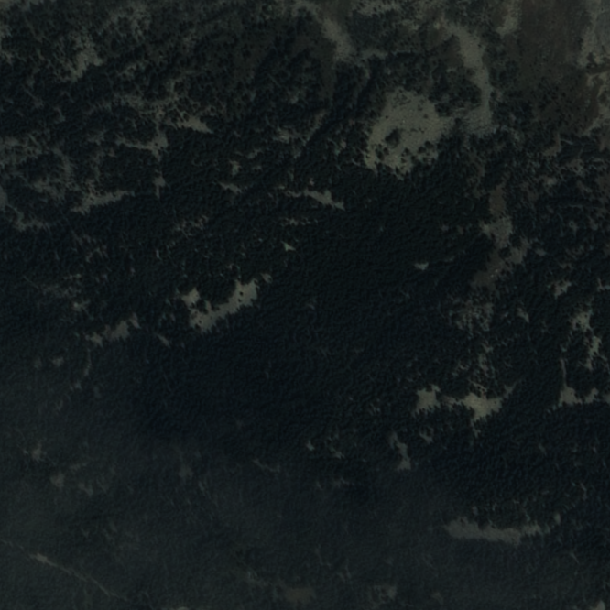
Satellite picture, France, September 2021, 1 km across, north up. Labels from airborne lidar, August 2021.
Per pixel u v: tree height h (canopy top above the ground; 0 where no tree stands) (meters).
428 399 0
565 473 22
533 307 15
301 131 8
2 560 18
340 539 22
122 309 22
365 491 11
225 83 7
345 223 12
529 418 13
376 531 11
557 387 18
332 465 14
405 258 18
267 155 12
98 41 7
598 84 0
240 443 15
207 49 10
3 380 16
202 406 19
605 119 0
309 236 17
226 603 20
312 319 15
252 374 22
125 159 14
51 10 7
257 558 20
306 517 17
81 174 10
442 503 22
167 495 14
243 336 14
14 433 14
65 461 13
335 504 16
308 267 15
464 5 6
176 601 20
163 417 29
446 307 8
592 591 14
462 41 0
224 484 24
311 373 11
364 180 15
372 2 0
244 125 10
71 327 14
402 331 12
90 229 21
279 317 16
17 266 21
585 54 0
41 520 16
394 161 0
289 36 10
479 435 6
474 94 9
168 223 14
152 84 10
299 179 13
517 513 14
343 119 10
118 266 18
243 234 15
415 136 0
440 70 10
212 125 13
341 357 14
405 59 9
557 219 9
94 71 11
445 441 25
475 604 22
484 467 15
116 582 18
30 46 11
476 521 14
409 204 15
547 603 25
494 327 18
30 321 22
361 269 19
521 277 7
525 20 0
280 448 20
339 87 9
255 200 11
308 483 21
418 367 17
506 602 20
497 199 0
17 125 16
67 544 15
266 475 6
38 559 0
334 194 12
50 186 11
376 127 0
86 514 17
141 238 14
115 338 0
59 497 9
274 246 12
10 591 17
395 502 11
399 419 20
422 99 0
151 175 13
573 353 18
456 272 9
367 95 9
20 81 13
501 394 11
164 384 29
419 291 13
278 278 12
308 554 17
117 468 12
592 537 19
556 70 0
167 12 9
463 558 19
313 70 6
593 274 17
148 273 16
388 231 12
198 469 16
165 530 14
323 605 13
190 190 16
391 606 11
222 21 6
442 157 9
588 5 0
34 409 25
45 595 24
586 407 10
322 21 0
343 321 20
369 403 11
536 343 22
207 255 18
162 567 7
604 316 14
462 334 9
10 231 12
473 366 10
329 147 14
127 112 8
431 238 13
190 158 15
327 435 15
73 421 25
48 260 19
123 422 13
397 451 20
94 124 10
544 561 12
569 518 6
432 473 16
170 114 8
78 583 19
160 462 7
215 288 18
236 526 10
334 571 9
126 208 12
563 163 11
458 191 8
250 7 8
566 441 15
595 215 10
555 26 0
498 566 18
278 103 11
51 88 8
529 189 7
